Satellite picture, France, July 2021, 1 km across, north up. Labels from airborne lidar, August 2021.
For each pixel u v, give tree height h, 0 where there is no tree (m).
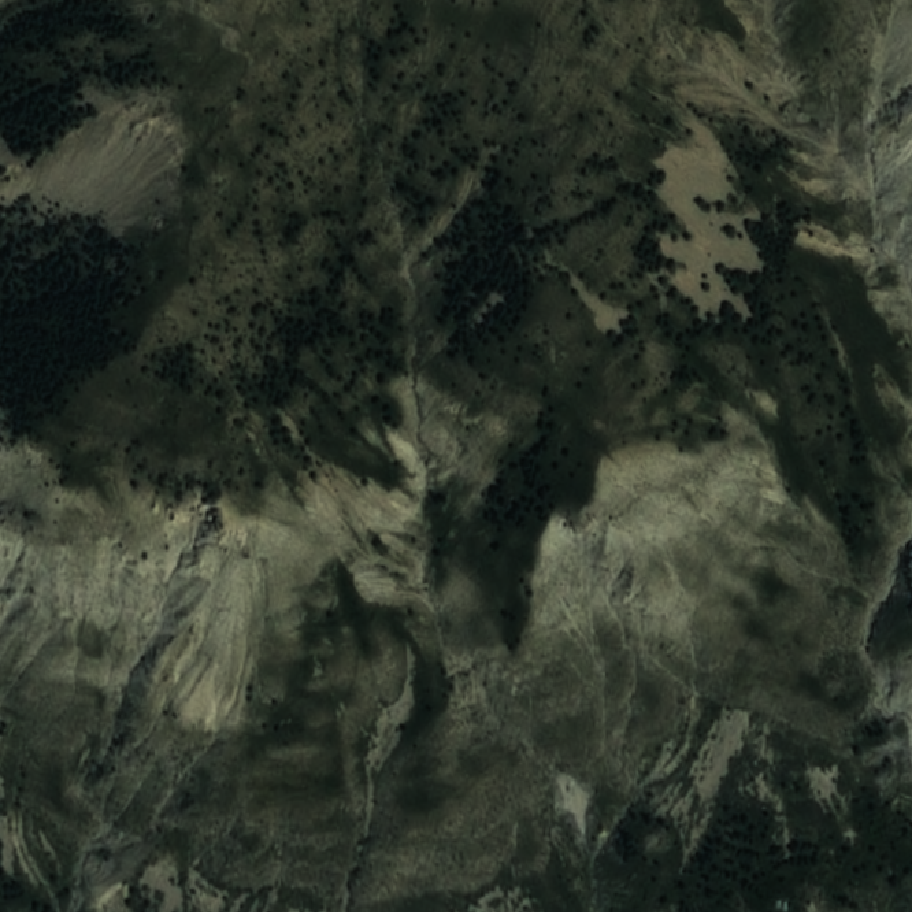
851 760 0
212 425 0
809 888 0
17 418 10
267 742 0
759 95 0
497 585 0
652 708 0
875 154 0
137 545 0
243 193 0
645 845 0
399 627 0
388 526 0
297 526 0
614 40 0
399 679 0
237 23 0
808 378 0
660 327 10
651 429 0
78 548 0
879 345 0
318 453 0
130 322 0
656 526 0
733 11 0
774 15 0
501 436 0
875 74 0
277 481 0
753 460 0
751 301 17
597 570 0
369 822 0
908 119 0
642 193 15
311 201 0
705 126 0
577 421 0
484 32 0
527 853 0
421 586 0
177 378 10
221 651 0
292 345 17
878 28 0
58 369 12
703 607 0
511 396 0
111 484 0
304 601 0
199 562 0
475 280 15
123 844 0
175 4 0
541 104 0
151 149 0
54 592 0
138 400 0
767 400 0
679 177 0
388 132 9
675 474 0
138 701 0
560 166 0
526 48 0
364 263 0
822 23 0
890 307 0
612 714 0
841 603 0
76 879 0
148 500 0
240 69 0
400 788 0
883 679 0
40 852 0
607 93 0
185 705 0
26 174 0
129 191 0
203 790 0
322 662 0
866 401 0
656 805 0
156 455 0
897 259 0
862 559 0
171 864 0
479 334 9
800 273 0
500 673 0
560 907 0
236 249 0
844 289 0
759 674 0
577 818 0
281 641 0
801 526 0
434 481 0
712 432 7
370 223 0
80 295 14
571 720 0
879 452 0
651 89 0
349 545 0
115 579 0
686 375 11
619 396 0
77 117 10
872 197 0
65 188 0
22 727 0
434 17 0
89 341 14
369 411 0
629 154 0
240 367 9
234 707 0
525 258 12
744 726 0
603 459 0
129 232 0
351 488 0
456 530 0
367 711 0
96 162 0
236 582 0
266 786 0
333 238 8
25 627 0
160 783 0
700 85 0
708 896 11
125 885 0
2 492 0
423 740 0
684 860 0
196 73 0
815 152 0
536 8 0
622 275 0
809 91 0
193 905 0
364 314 8
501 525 12
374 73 9
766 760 0
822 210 0
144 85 7
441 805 0
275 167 7
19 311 13
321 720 0
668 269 14
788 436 0
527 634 0
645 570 0
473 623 0
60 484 7
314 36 0
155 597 0
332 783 0
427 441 0
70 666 0
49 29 10
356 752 0
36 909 15
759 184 0
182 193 0
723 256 0
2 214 8
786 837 0
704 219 0
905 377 0
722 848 8
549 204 7
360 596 0
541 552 0
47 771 0
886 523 0
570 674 0
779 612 0
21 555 0
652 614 0
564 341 0
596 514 0
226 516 0
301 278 0
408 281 0
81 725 0
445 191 0
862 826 6
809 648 0
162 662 0
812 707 0
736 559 0
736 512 0
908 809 0
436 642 0
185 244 0
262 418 0
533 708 0
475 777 0
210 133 0
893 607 0
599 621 0
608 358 0
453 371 0
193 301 0
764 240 10
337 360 0
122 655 0
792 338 0
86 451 0
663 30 0
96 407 0
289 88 0
